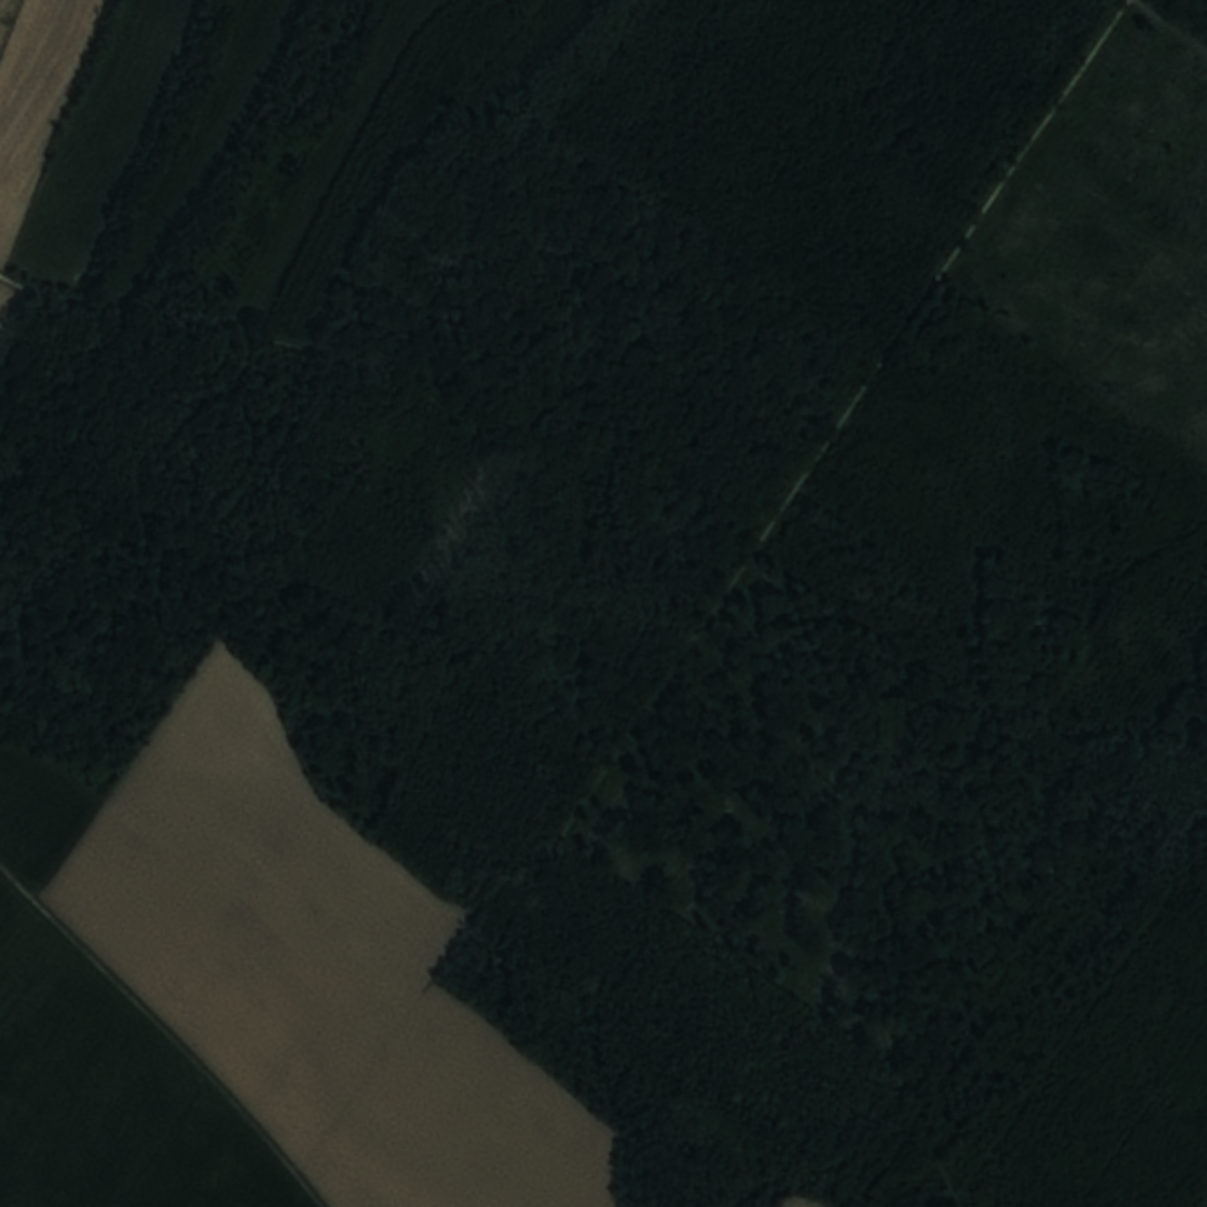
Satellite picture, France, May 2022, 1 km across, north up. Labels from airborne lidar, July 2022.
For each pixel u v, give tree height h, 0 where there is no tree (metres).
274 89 21
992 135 23
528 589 21
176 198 0
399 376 28
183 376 25
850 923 27
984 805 25
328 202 8
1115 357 0
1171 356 0
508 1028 19
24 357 25
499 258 23
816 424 21
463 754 14
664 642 27
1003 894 17
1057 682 19
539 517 24
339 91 25
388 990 0
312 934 0
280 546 25
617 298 29
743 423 24
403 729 20
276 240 0
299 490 25
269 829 0
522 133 18
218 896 0
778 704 29
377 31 25
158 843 0
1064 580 7
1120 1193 6
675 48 15
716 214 17
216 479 24
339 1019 0
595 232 30
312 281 8
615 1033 16
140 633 26
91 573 23
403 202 24
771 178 18
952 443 6
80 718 27
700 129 18
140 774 0
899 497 8
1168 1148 7
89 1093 0
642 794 24
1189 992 7
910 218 19
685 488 28
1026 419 6
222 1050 0
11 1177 0
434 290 26
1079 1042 6
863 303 16
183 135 17
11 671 22
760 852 25
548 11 8
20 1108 0
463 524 31
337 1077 0
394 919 0
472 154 22
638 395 26
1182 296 0
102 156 0
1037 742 24
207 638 17
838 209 17
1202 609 7
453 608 26
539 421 27
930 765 18
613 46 22
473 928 18
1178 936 8
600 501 15
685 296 24
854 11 15
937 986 27
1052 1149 8
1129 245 0
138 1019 0
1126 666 6
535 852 15
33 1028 0
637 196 16
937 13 21
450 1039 0
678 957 14
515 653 25
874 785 28
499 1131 0
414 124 7
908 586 12
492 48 9
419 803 16
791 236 16
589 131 16
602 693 29
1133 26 0
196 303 26
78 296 11
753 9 20
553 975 16
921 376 10
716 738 27
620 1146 13
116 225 18
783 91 16
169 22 0
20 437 23
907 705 24
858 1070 16
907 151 16
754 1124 16
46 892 0
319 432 27
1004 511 6
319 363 23
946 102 24
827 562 7
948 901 24
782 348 23
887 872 26
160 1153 0
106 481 28
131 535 24
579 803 8
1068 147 0
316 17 24
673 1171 28
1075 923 9
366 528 15
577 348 21
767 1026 16
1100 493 17
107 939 0
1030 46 22
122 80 0
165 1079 0
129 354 25
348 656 23
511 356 21
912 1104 13
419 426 14
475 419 24
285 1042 0
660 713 27
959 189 13
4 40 0
